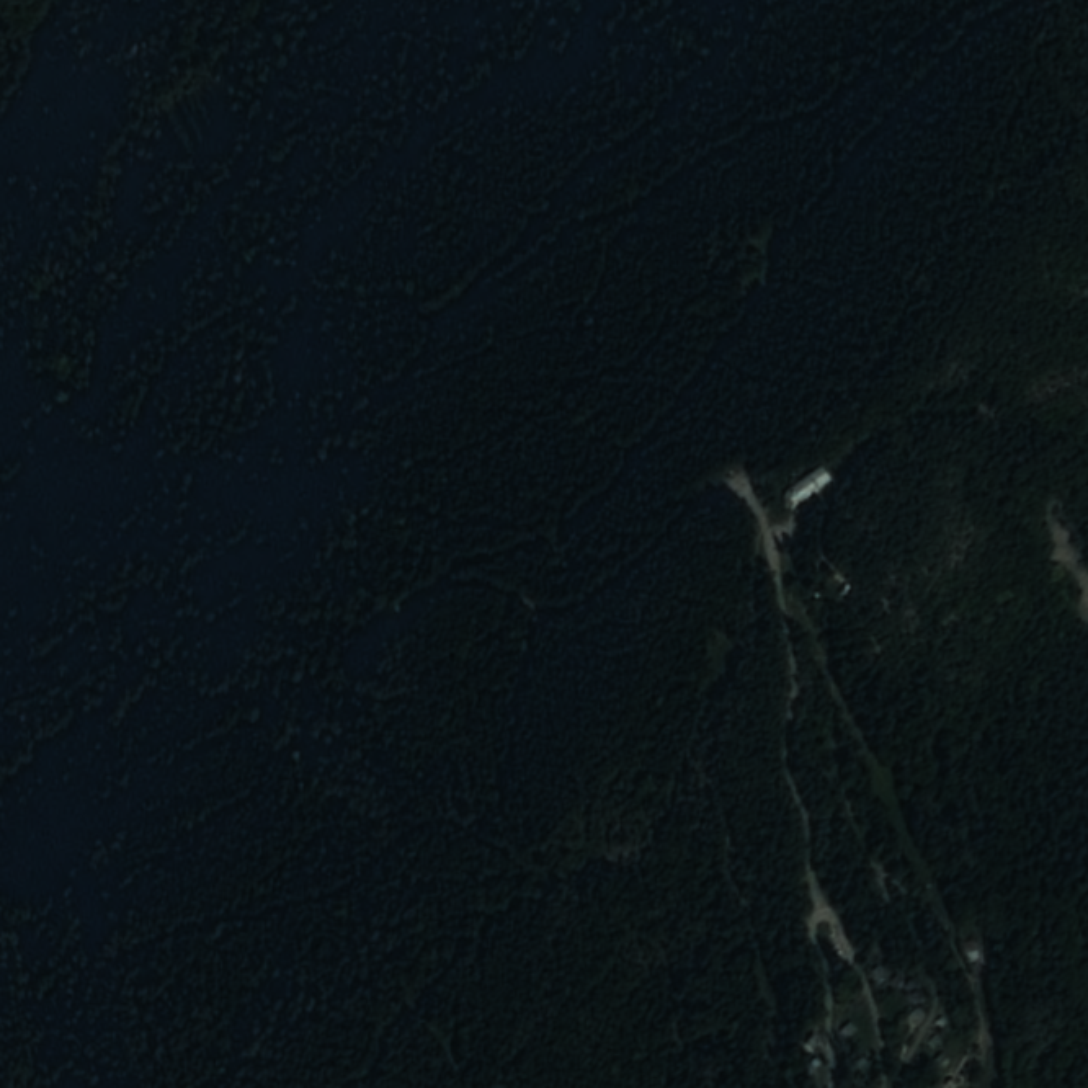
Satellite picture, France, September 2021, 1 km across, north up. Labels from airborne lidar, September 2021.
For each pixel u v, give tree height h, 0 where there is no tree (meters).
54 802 15
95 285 28
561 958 15
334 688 16
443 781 10
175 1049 29
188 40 31
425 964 10
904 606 11
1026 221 22
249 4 23
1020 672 17
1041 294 14
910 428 18
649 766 18
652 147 22
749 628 10
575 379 24
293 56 20
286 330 17
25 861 11
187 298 24
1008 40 21
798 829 11
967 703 18
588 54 19
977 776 30
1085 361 9
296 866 9
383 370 22
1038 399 8
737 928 28
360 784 35
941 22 14
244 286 18
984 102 23
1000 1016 22
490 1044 15
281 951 15
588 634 18
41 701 30
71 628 28
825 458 14
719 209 16
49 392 24
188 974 21
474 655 16
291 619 31
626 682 18
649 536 19
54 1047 16
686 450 19
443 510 31
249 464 17
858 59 23
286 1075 23
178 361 22
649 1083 15
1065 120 15
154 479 36
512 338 20
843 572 11
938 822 18
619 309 23
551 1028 13
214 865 18
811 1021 21
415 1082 14
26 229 25
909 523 21
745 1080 26
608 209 24
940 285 19
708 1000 20
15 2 26
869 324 16
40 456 14
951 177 12
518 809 20
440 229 22
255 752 11
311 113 21
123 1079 26
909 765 22
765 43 19
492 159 33
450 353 23
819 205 15
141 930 21
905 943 19
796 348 23
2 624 33
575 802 21
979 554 12
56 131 36
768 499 8
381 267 22
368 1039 24
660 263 22
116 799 14
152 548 29
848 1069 19
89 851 27
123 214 0
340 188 21
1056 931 28
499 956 19
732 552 15
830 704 12
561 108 29
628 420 24
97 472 19
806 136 21
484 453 20
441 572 25
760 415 16
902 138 21
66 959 14
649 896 13
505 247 28
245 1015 17
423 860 17
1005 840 27
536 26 26
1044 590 20
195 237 27
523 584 18
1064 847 26
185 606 33
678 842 18
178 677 21
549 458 25
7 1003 32
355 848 18
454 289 24
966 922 18
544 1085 11
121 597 31
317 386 28
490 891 18
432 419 23
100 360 8
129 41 24
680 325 21
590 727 17
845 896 15
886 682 19
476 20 24
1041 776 27
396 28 17
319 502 34
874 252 20
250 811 18
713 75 19
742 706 13
